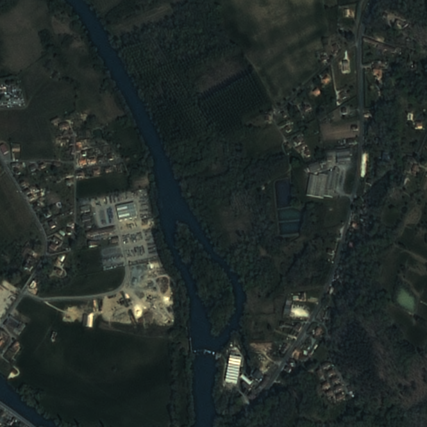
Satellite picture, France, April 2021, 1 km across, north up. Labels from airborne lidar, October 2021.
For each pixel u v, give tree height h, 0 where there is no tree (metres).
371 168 5
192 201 12
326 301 7
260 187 11
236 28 0
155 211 12
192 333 0
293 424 0
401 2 24
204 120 0
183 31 27
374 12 26
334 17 0
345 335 21
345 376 19
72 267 6
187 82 18
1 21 0
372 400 20
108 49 0
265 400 26
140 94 23
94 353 0
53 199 0
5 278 9
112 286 0
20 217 0
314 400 20
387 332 15
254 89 0
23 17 0
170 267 31
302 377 21
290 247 7
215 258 0
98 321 0
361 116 0
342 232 0
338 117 0
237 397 14
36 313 0
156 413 0
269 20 0
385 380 12
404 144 8
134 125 15
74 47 0
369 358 23
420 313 0
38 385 0
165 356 0
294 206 20
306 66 0
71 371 0
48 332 0
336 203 0
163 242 24
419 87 15
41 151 0
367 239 12
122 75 0
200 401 0
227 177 11
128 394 0
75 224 0
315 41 0
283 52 0
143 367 0
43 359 0
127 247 0
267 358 0
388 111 24
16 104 0
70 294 0
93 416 0
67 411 0
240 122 0
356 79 0
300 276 17
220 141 12
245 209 27
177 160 12
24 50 0
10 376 0
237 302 0
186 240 17
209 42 22
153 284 0
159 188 0
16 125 0
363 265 21
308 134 10
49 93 0
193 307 0
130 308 0
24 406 0
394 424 19
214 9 15
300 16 0
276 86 0
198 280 36
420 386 13
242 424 28
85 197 0
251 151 0
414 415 22
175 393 17
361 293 24
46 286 14
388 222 0
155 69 30
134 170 11
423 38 22
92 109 0
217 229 17
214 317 35
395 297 15
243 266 19
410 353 20
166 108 26
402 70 20
